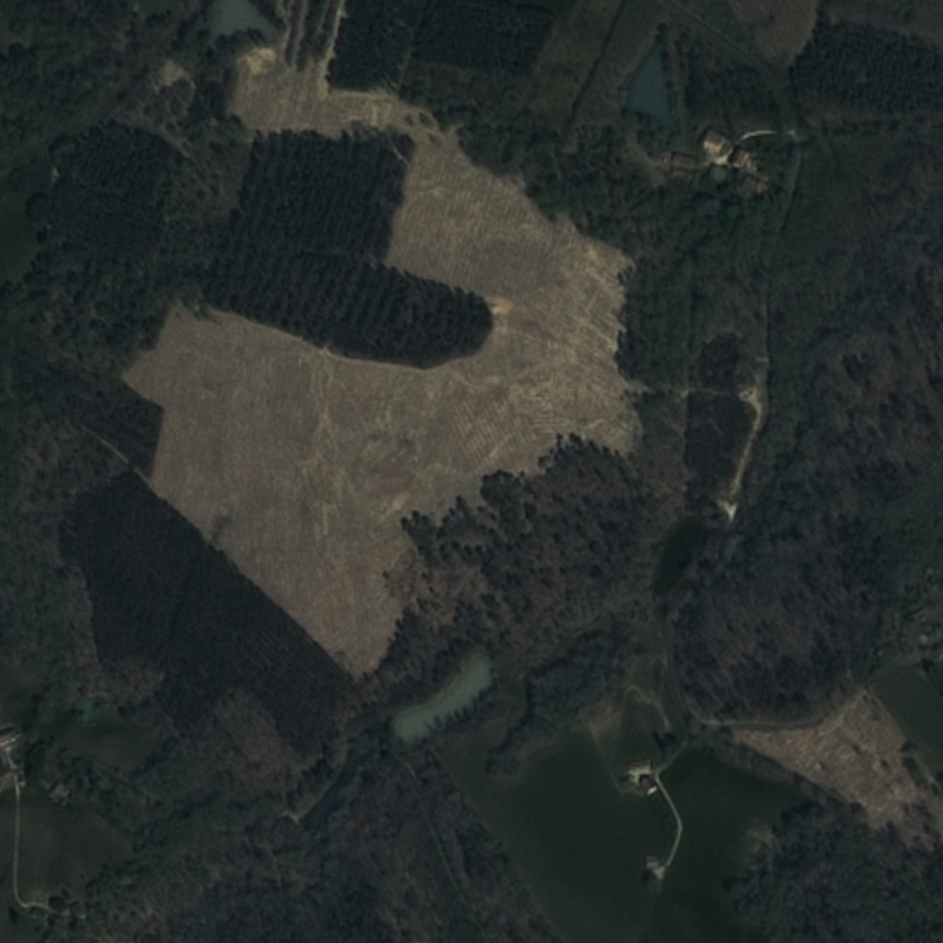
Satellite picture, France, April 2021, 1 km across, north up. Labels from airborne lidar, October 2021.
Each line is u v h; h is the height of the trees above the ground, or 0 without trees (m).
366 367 0
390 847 8
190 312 11
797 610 25
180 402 0
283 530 0
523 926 17
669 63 15
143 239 18
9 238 0
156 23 14
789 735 0
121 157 17
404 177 15
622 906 0
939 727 0
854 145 11
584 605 18
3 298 11
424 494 0
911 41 16
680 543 0
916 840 0
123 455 7
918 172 10
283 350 0
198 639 13
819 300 19
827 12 19
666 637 0
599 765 0
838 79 15
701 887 0
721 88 0
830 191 14
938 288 10
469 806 11
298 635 12
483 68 14
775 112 0
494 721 7
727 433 14
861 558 25
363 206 17
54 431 19
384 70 14
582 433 0
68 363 8
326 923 20
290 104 0
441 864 14
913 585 21
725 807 0
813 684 23
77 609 11
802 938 17
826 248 12
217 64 19
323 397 0
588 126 11
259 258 18
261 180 20
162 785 19
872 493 28
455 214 0
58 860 0
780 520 8
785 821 0
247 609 13
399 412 0
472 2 14
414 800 10
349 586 0
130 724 21
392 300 18
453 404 0
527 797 0
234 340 0
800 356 22
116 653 12
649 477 11
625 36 15
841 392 8
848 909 24
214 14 15
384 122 0
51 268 16
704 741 19
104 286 16
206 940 19
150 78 15
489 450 0
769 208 25
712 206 23
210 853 20
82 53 20
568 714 13
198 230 11
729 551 12
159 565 13
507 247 0
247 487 0
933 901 17
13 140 20
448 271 0
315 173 18
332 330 16
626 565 9
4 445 23
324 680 12
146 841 16
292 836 22
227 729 10
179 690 13
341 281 16
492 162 13
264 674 12
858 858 21
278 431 0
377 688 10
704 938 0
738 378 13
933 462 20
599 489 8
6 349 9
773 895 20
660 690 0
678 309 22
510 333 0
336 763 18
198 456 0
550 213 18
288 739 15
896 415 13
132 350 10
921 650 6
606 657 21
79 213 15
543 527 0
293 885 15
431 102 8
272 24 14
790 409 15
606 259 0
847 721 0
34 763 9
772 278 27
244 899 18
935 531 21
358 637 0
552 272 0
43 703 16
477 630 14
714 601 14
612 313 0
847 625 11
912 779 21
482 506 0
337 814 17
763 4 19
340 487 0
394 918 16
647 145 11
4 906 0
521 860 0
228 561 9
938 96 14
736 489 0
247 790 12
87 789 12
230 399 0
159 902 24
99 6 20
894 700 0
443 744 8
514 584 7
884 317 17
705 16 13
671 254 15
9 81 24
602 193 23
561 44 0
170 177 19
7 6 28
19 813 0
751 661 16
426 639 13
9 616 25
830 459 17
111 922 20
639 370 18
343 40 14
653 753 0
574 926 0
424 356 16
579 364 0
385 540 0
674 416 20
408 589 0
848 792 0
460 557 0
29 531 19
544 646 16
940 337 19
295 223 17
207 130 19
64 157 10
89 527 14
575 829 0
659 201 13
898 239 18
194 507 0
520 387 0
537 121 13
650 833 0
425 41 15
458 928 16
